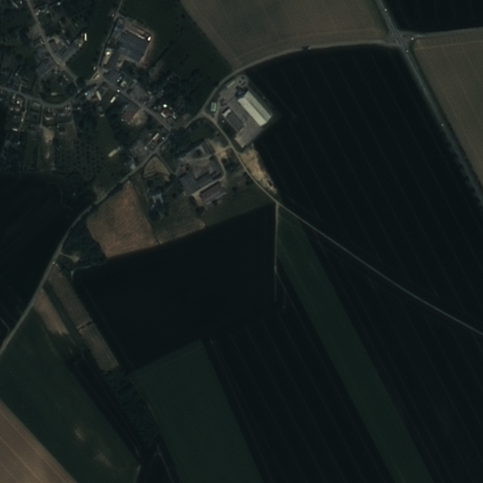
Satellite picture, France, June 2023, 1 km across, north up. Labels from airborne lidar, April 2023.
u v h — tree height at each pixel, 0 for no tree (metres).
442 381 0
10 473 0
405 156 0
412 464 0
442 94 0
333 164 0
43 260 0
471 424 0
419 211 0
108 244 0
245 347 0
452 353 0
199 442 0
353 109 0
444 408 0
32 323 0
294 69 0
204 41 0
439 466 0
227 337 0
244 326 0
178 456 0
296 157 0
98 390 0
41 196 0
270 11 0
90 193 0
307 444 0
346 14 0
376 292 0
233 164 14
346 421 0
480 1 0
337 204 0
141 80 13
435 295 0
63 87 0
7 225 0
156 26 0
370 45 0
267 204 0
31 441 0
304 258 0
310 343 0
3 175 0
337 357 0
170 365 0
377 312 0
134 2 0
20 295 0
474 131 0
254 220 0
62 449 0
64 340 0
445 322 0
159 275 0
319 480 0
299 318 0
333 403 0
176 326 0
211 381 0
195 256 0
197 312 0
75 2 22
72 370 0
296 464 0
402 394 0
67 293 0
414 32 0
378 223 0
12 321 0
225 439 0
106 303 0
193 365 0
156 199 0
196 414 0
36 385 0
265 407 0
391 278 0
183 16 7
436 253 0
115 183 0
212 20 0
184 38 0
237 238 0
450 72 0
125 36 0
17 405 0
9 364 0
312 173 0
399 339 0
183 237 0
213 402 0
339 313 0
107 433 0
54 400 0
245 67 0
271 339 0
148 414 16
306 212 0
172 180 12
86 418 0
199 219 0
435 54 0
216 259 0
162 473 0
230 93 0
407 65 0
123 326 0
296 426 0
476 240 0
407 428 0
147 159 0
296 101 0
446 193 0
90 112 6
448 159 0
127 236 0
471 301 0
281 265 0
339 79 0
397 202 0
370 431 0
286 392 0
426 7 0
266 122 0
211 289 0
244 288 0
